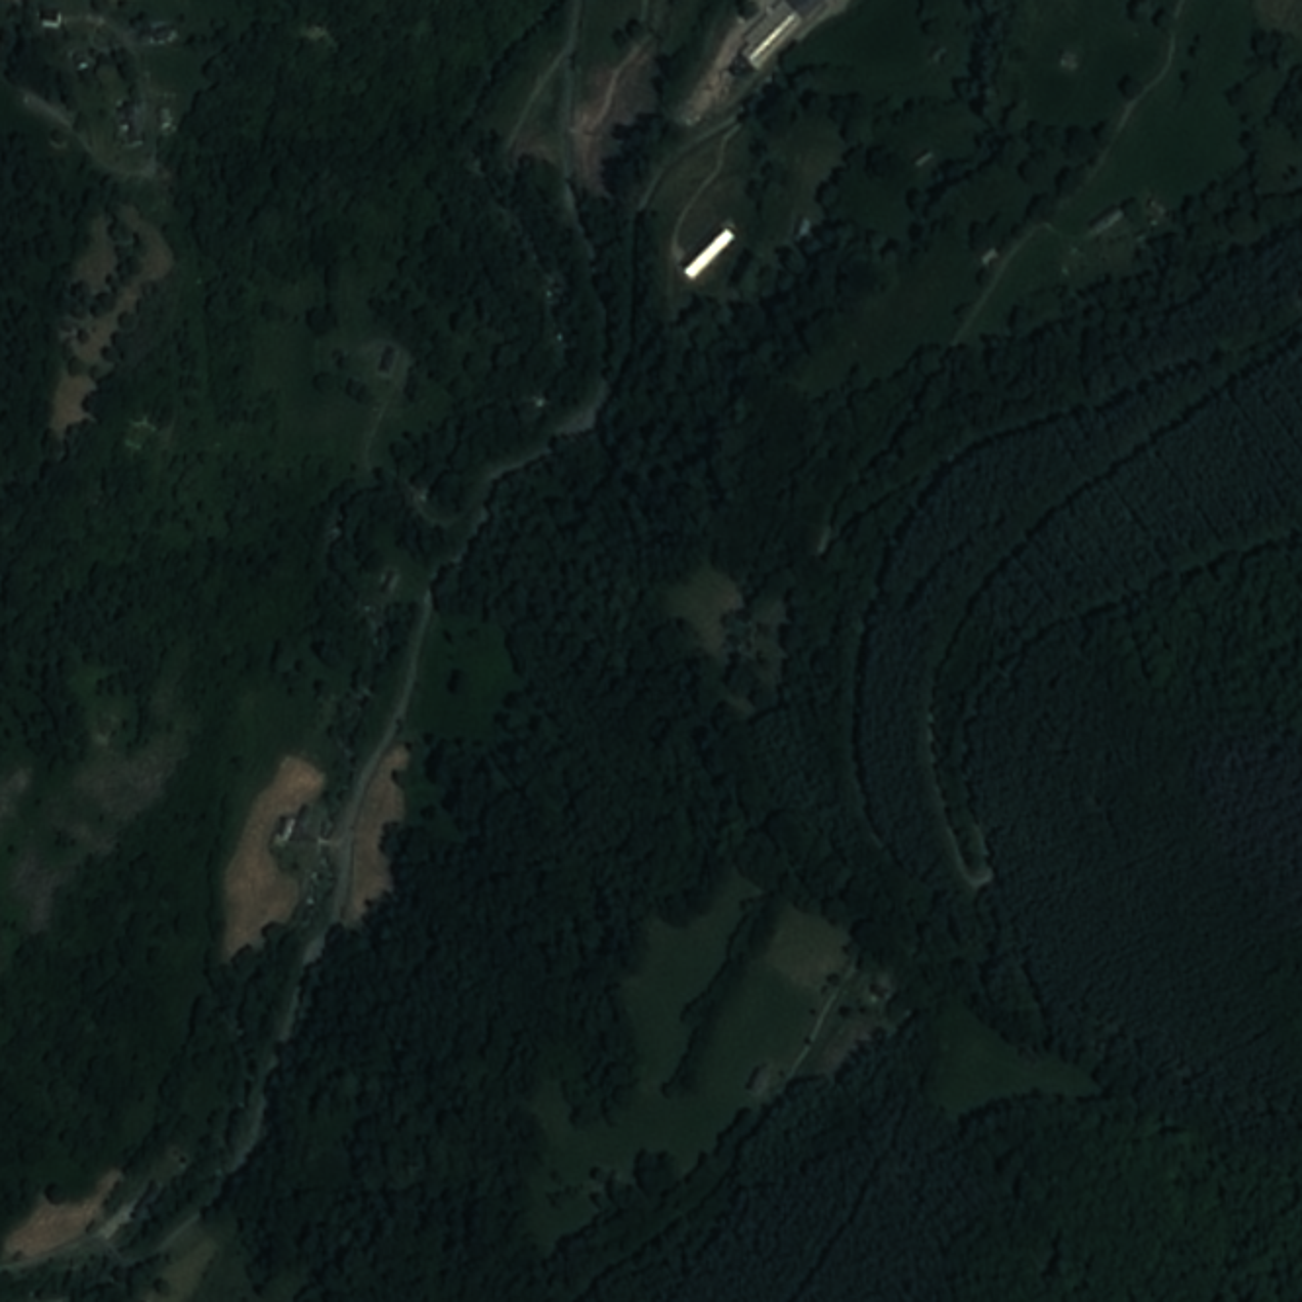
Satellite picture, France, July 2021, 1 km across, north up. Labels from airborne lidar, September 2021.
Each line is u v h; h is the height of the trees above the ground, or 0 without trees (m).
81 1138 16
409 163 22
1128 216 12
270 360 0
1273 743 18
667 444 21
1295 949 19
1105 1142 23
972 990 18
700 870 11
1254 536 22
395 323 19
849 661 16
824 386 0
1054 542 22
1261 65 15
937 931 23
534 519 16
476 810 28
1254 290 31
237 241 30
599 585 20
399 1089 15
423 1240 23
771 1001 0
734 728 27
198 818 10
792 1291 26
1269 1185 24
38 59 19
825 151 0
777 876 17
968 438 14
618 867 16
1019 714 17
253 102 16
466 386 11
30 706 0
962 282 0
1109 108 0
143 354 10
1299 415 21
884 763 22
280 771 0
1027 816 17
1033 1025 24
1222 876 17
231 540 8
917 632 24
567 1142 0
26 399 10
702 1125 0
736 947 10
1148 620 26
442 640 0
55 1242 0
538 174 22
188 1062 17
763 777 10
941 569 17
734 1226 25
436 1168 26
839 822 14
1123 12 0
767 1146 26
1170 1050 18
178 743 0
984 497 27
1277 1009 16
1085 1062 28
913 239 0
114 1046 21
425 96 9
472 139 24
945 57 8
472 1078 25
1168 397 24
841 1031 0
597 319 15
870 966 12
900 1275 24
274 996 21
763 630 10
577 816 18
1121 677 21
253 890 0
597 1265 24
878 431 9
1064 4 0
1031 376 15
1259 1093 22
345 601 21
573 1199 8
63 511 18
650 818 31
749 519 15
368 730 7
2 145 20
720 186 0
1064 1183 23
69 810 0
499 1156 19
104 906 25
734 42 0
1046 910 20
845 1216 29
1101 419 22
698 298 0
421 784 0
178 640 13
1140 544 18
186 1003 0
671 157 16
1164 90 0
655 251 12
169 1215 19
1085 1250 23
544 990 27
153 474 12
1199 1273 25
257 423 12
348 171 26
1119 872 15
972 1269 24
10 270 13
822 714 24
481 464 8
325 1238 19
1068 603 23
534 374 24
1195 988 17
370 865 0
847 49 0
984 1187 26
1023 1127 26
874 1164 28
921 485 11
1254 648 18
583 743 15
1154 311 23
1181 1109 27
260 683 9
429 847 20
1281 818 19
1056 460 24
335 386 17
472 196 24
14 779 0
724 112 0
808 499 29
